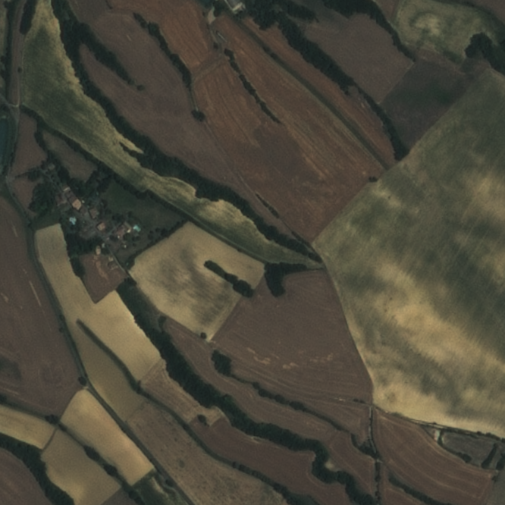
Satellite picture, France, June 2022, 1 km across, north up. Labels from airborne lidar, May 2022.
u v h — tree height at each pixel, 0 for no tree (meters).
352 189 0
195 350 0
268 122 0
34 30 0
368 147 0
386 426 0
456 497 0
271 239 18
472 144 0
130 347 0
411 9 0
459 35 0
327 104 0
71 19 7
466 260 0
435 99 0
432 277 0
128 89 0
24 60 0
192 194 0
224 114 0
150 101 0
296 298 0
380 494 11
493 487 0
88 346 0
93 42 19
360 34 0
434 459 0
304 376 0
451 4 0
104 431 0
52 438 0
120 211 0
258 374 0
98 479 0
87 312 0
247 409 0
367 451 7
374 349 0
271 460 0
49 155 9
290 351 0
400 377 0
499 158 0
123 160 0
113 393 0
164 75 0
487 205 0
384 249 0
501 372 0
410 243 0
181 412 0
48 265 0
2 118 0
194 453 0
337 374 0
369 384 0
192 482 0
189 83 11
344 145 0
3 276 0
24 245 0
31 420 0
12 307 0
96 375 0
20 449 16
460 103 0
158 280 0
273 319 0
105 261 0
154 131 0
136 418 0
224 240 0
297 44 14
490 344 0
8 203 0
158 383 0
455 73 0
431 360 0
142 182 0
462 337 0
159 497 0
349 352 0
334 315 0
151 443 0
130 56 0
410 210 0
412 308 0
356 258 0
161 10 0
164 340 14
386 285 0
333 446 0
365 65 0
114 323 0
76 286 0
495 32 0
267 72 0
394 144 14
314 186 0
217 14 10
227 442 0
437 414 0
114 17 0
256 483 0
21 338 0
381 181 0
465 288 0
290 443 19
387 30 7
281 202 0
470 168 0
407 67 0
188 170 8
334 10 12
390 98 0
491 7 0
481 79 0
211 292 0
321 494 0
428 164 0
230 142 0
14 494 0
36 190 6
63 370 0
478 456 0
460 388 0
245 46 0
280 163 0
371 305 0
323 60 16
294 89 0
